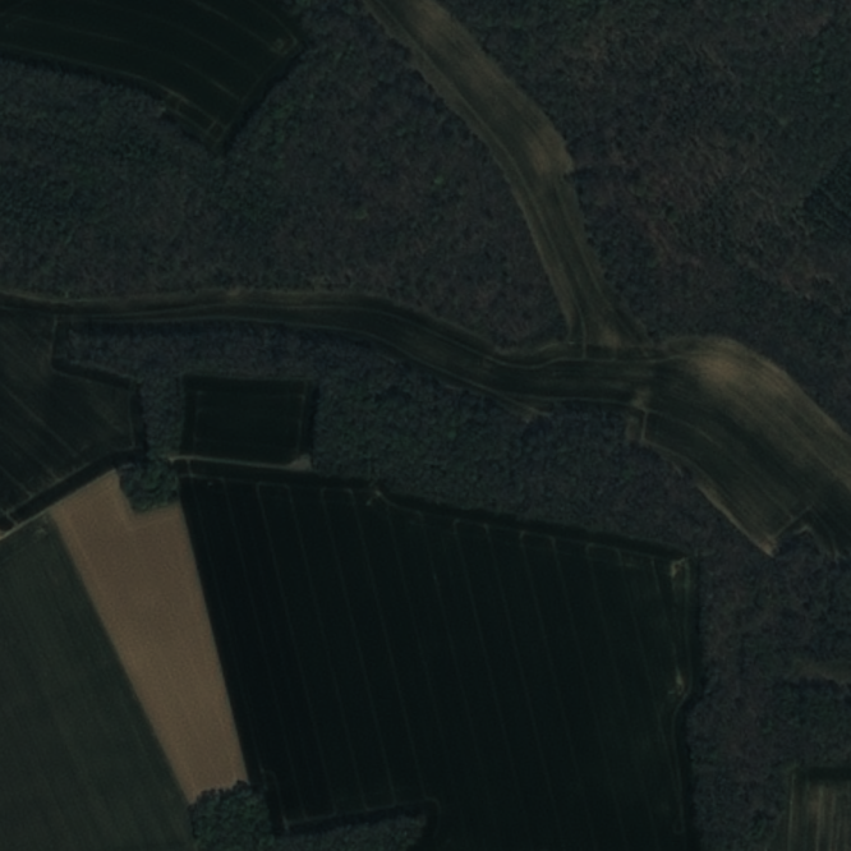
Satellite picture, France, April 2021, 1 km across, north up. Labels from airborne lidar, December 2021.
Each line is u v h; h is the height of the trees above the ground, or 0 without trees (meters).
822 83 17
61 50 0
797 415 0
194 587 0
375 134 22
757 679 24
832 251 18
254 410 0
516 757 0
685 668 0
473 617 0
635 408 0
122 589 0
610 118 22
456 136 21
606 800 0
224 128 0
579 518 23
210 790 0
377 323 0
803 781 0
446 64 0
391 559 0
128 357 22
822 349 18
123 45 0
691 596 0
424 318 0
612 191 27
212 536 0
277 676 0
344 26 28
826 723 22
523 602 0
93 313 0
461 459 23
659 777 0
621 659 0
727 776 19
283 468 0
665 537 19
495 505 22
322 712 0
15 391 0
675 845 0
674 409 0
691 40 17
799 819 0
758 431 0
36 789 0
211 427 0
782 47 15
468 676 0
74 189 19
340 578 0
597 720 0
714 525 9
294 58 0
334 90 15
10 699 0
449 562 0
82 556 0
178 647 0
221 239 23
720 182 17
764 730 22
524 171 0
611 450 28
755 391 0
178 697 0
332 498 0
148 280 24
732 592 22
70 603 0
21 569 0
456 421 23
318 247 23
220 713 0
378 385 22
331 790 0
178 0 0
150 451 15
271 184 18
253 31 0
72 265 11
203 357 24
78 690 0
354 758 0
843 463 0
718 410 0
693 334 17
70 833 0
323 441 22
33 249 18
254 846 19
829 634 25
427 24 0
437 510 0
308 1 20
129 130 22
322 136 20
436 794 0
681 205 17
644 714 0
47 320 0
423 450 21
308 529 0
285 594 0
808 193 17
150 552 0
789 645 25
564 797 0
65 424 0
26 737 0
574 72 17
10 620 0
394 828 21
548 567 0
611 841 0
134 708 0
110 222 20
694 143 19
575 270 0
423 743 0
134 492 16
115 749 0
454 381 0
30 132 7
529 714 0
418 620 0
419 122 21
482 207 11
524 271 8
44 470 0
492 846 0
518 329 21
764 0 24
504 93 0
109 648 0
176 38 0
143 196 23
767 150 14
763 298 17
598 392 0
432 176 23
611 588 0
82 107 27
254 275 23
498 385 0
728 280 19
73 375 0
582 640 0
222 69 0
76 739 0
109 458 0
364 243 17
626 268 17
